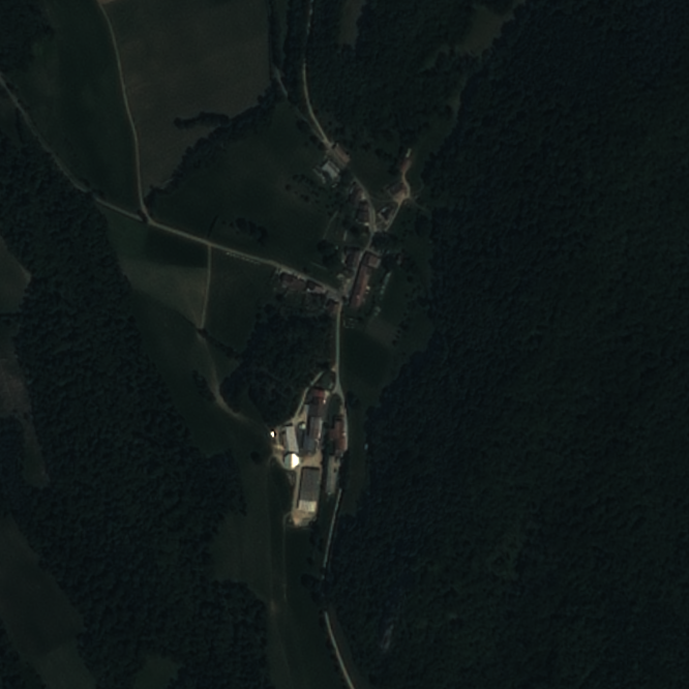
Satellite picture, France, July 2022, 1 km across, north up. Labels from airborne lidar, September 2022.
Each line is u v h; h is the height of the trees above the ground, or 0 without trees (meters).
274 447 0
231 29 0
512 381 22
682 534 14
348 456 11
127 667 16
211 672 15
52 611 0
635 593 9
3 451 22
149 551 16
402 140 9
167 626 20
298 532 0
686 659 16
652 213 17
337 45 17
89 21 0
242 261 0
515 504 20
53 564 20
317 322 14
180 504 21
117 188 0
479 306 18
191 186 0
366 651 10
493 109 21
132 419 19
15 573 0
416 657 15
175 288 0
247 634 22
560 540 29
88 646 21
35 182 18
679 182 24
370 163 0
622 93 18
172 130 0
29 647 0
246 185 0
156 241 0
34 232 17
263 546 0
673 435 19
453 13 19
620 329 25
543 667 14
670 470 20
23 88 0
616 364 23
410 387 19
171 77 0
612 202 16
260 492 0
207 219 0
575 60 19
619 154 19
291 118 0
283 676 0
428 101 21
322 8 6
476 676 17
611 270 18
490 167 24
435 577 16
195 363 0
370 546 22
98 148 0
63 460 19
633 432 23
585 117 20
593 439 22
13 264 0
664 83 19
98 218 14
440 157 11
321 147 10
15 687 22
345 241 0
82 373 14
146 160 0
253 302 0
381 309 0
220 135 15
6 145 20
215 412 0
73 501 21
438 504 22
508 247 21
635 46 23
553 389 18
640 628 12
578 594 13
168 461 11
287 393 15
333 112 10
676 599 18
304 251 0
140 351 16
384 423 25
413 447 26
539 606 25
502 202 23
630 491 20
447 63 26
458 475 22
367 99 13
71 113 0
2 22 14
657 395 21
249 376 21
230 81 0
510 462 18
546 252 22
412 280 10
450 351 14
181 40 0
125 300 19
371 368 0
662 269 18
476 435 17
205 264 0
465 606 15
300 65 15
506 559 8
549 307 12
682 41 21
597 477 26
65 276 18
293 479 0
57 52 0
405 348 0
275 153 0
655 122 15
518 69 22
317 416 0
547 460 15
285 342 22
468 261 26
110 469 16
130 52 0
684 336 21
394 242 17
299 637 0
